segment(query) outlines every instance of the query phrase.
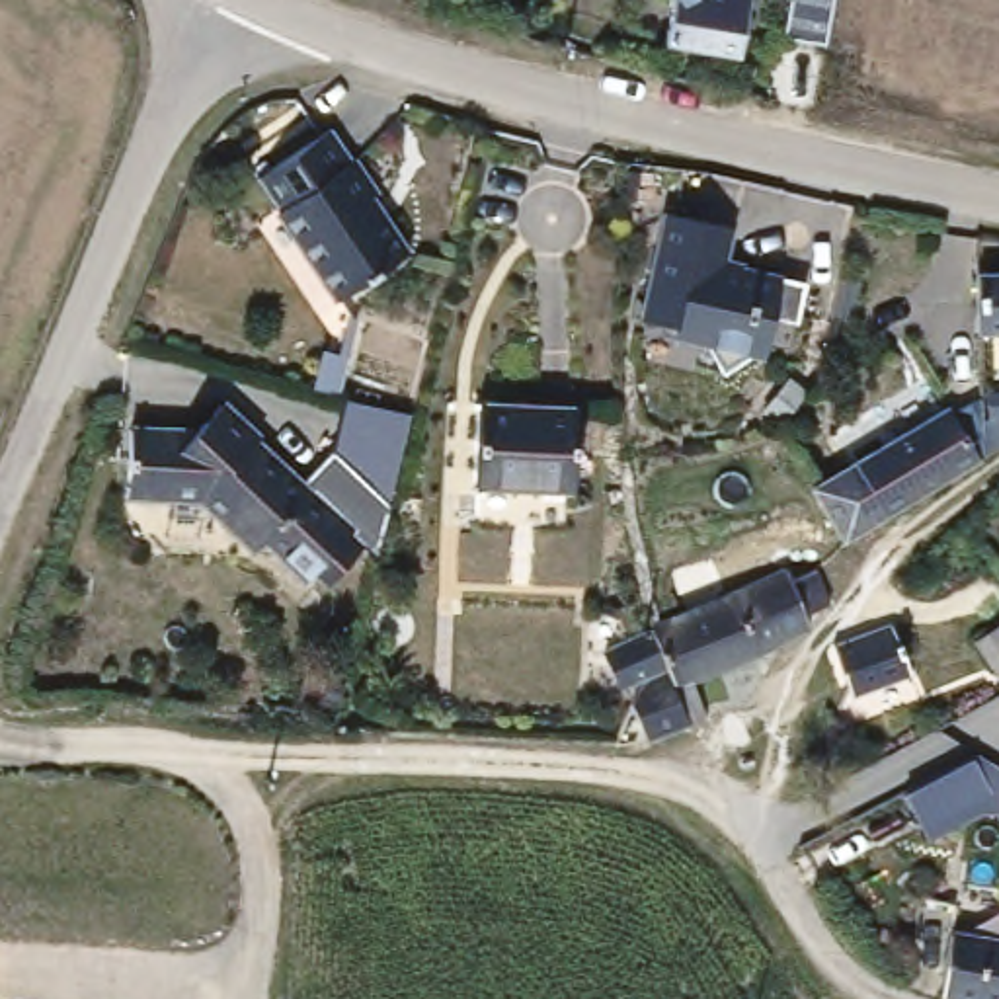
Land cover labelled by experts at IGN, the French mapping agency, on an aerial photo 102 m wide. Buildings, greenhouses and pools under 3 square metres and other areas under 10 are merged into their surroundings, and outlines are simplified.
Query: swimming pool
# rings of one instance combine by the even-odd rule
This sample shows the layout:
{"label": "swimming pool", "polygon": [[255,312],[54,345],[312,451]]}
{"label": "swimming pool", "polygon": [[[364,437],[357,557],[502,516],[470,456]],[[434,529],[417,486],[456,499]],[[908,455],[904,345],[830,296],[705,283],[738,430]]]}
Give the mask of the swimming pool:
{"label": "swimming pool", "polygon": [[995,870],[987,862],[968,862],[968,874],[976,882],[991,878]]}

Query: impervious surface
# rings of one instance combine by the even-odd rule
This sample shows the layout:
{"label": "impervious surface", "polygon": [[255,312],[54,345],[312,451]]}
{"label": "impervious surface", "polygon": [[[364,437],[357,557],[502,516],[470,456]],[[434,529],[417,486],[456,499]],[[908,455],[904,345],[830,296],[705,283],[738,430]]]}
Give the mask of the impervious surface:
{"label": "impervious surface", "polygon": [[312,460],[312,453],[320,449],[328,449],[328,457],[340,453],[347,425],[340,414],[281,398],[273,390],[246,390],[273,425],[285,453],[293,453],[300,464]]}
{"label": "impervious surface", "polygon": [[999,336],[987,332],[987,316],[979,316],[987,293],[979,285],[979,269],[976,238],[937,238],[905,230],[894,242],[866,238],[874,254],[874,285],[866,308],[874,312],[862,328],[870,336],[894,332],[898,355],[905,375],[901,390],[866,406],[823,445],[827,453],[839,453],[874,433],[878,425],[886,425],[890,418],[913,414],[917,402],[929,398],[929,379],[913,355],[913,340],[921,336],[952,371],[956,394],[968,406],[999,406]]}
{"label": "impervious surface", "polygon": [[745,59],[749,39],[738,31],[683,23],[667,31],[667,47],[714,59]]}
{"label": "impervious surface", "polygon": [[999,699],[979,706],[976,714],[960,714],[956,726],[925,734],[913,745],[882,757],[878,765],[851,773],[843,788],[835,788],[819,804],[780,800],[769,808],[769,823],[792,847],[800,831],[843,816],[847,808],[901,780],[909,784],[909,792],[940,780],[944,773],[968,761],[987,761],[999,769]]}
{"label": "impervious surface", "polygon": [[0,722],[0,765],[59,761],[62,734],[70,726]]}
{"label": "impervious surface", "polygon": [[726,379],[734,394],[749,398],[745,414],[753,418],[777,414],[773,398],[780,394],[780,386],[769,386],[765,363],[749,359],[745,371]]}
{"label": "impervious surface", "polygon": [[800,367],[808,375],[819,367],[831,320],[855,308],[859,285],[835,273],[831,285],[812,289],[808,316],[800,320],[800,328],[788,312],[777,320],[780,351],[804,355]]}
{"label": "impervious surface", "polygon": [[254,113],[254,129],[254,180],[258,180],[281,133],[300,117],[297,101],[261,105]]}
{"label": "impervious surface", "polygon": [[[31,394],[23,410],[8,394],[0,394],[0,554],[62,406],[78,394],[82,398],[94,406],[101,406],[105,398],[121,398],[133,414],[113,449],[113,464],[125,476],[125,515],[148,539],[152,554],[219,554],[226,546],[238,546],[246,562],[277,578],[281,605],[304,605],[351,593],[363,581],[359,562],[324,558],[312,542],[297,546],[293,554],[250,550],[246,539],[230,535],[222,519],[211,515],[211,507],[199,503],[195,488],[183,488],[172,503],[144,503],[144,496],[137,492],[137,410],[144,402],[187,406],[195,402],[203,379],[191,367],[121,351],[101,343],[101,316],[137,242],[137,230],[148,215],[148,203],[191,125],[222,94],[238,86],[258,86],[269,74],[293,70],[300,62],[332,62],[347,74],[347,86],[320,98],[316,109],[336,113],[355,140],[367,140],[375,133],[398,109],[402,98],[410,101],[402,164],[379,164],[382,183],[390,187],[394,203],[402,203],[421,168],[418,133],[429,125],[429,117],[472,125],[488,140],[515,137],[546,148],[542,168],[535,168],[531,180],[523,180],[523,172],[515,168],[500,168],[484,183],[480,219],[515,226],[515,242],[500,250],[484,289],[472,300],[472,316],[464,324],[457,359],[457,398],[449,402],[453,433],[445,437],[445,445],[449,468],[441,484],[433,675],[445,691],[453,683],[453,624],[464,593],[570,597],[574,628],[581,632],[585,683],[593,683],[609,667],[609,640],[617,636],[613,617],[593,620],[585,613],[585,593],[570,581],[531,578],[535,527],[562,523],[566,500],[480,492],[476,457],[488,457],[492,445],[480,441],[480,406],[472,363],[480,332],[507,273],[523,254],[535,254],[535,336],[542,340],[542,367],[570,367],[570,297],[562,258],[570,250],[585,250],[589,242],[593,203],[609,195],[624,180],[624,172],[640,176],[632,215],[620,219],[628,226],[648,226],[648,258],[636,269],[628,308],[624,340],[644,340],[652,363],[683,371],[706,363],[714,347],[683,343],[675,328],[652,324],[644,308],[652,273],[679,273],[675,265],[663,265],[656,258],[667,215],[734,226],[745,254],[792,254],[816,265],[835,261],[851,230],[851,215],[859,211],[901,211],[940,219],[948,211],[948,219],[960,226],[999,226],[999,172],[812,125],[808,105],[819,90],[823,51],[808,39],[792,39],[792,47],[780,55],[773,70],[773,90],[780,98],[773,109],[761,109],[757,101],[695,105],[687,94],[671,101],[659,78],[640,86],[589,74],[503,59],[453,39],[429,35],[402,31],[382,16],[343,8],[332,0],[140,0],[148,16],[152,51],[144,105],[137,113],[125,160],[117,168],[117,180],[109,187],[109,199],[101,207],[101,219],[94,226],[94,238],[86,246],[86,258],[78,265],[74,289],[62,304],[59,328],[47,343]],[[511,523],[511,574],[503,581],[460,581],[460,527],[476,519]]]}
{"label": "impervious surface", "polygon": [[297,289],[308,297],[324,328],[336,336],[343,332],[347,312],[340,300],[316,273],[316,265],[304,258],[304,250],[285,234],[281,215],[265,215],[261,234],[297,281]]}

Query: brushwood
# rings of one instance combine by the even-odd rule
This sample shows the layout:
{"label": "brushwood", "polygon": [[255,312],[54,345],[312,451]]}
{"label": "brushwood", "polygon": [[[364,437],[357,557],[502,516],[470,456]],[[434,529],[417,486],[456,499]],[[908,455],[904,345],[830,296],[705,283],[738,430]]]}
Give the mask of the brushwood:
{"label": "brushwood", "polygon": [[613,0],[613,20],[601,31],[593,31],[578,23],[578,12],[558,16],[554,4],[535,16],[515,16],[511,8],[492,8],[488,0],[414,0],[414,16],[429,20],[429,35],[453,39],[476,27],[492,39],[535,39],[546,47],[574,47],[578,55],[589,55],[589,74],[640,86],[659,78],[671,101],[687,94],[695,105],[757,101],[761,109],[773,109],[780,98],[773,90],[773,70],[780,55],[792,47],[792,39],[784,27],[788,0],[757,0],[757,16],[738,31],[749,39],[745,59],[714,59],[667,47],[667,31],[683,23],[675,0]]}
{"label": "brushwood", "polygon": [[671,605],[679,593],[675,578],[663,566],[652,570],[652,597],[640,601],[632,562],[617,562],[617,593],[585,593],[585,613],[593,620],[613,617],[617,636],[632,636],[644,624],[656,624],[659,609]]}
{"label": "brushwood", "polygon": [[125,324],[121,351],[191,367],[203,379],[222,379],[246,390],[273,390],[281,398],[340,414],[343,406],[336,390],[320,390],[316,382],[304,386],[219,359],[203,359],[191,347],[148,343],[156,328],[152,320]]}
{"label": "brushwood", "polygon": [[640,437],[624,437],[617,445],[620,460],[632,472],[656,457],[695,457],[710,453],[718,441],[745,441],[753,433],[808,449],[819,441],[819,425],[812,429],[800,421],[780,421],[777,414],[753,418],[745,414],[749,398],[734,394],[718,425],[679,421],[667,414],[644,418],[659,429],[659,441],[644,445]]}
{"label": "brushwood", "polygon": [[515,168],[523,172],[523,180],[531,180],[535,168],[542,168],[546,148],[515,137],[488,140],[472,125],[429,117],[429,125],[418,133],[421,168],[402,203],[414,222],[414,238],[406,242],[406,254],[414,261],[406,261],[394,281],[382,277],[382,285],[367,285],[340,300],[347,312],[382,312],[390,320],[421,324],[429,332],[425,375],[414,398],[418,414],[410,418],[410,437],[390,500],[386,546],[414,554],[421,550],[421,531],[406,515],[406,500],[414,500],[418,492],[425,445],[445,445],[445,437],[453,433],[449,402],[457,398],[457,359],[464,324],[472,316],[472,300],[484,289],[500,250],[515,242],[515,226],[480,219],[484,183],[500,168]]}
{"label": "brushwood", "polygon": [[609,195],[593,203],[589,242],[597,258],[613,261],[613,304],[628,308],[636,269],[648,258],[648,226],[628,226],[620,219],[632,215],[640,176],[624,172],[624,180]]}
{"label": "brushwood", "polygon": [[250,340],[250,351],[254,351],[254,355],[265,355],[265,351],[269,351],[269,340],[277,340],[277,336],[281,336],[281,320],[269,320],[269,316],[246,316],[246,340]]}
{"label": "brushwood", "polygon": [[593,683],[585,683],[578,699],[566,706],[484,702],[445,691],[433,675],[410,663],[410,656],[398,644],[398,617],[406,617],[406,605],[418,593],[418,578],[390,574],[375,558],[359,562],[363,581],[351,593],[359,601],[355,624],[343,640],[332,644],[300,640],[304,605],[281,605],[281,617],[246,609],[246,636],[219,648],[219,628],[203,620],[203,605],[183,601],[180,617],[168,624],[168,636],[176,644],[168,652],[133,652],[129,679],[144,683],[140,699],[121,699],[105,691],[66,691],[82,702],[82,714],[94,726],[152,726],[219,741],[351,745],[379,741],[386,734],[429,734],[429,714],[445,710],[457,718],[460,738],[613,741],[624,718],[620,710],[620,695],[613,687]]}
{"label": "brushwood", "polygon": [[113,449],[133,414],[121,398],[105,398],[101,406],[94,406],[82,398],[82,429],[74,437],[62,488],[47,511],[39,558],[23,574],[20,597],[12,605],[12,632],[0,636],[0,648],[4,699],[43,706],[51,695],[35,691],[35,675],[51,675],[47,667],[55,659],[74,652],[70,636],[51,632],[51,620],[74,617],[82,601],[78,589],[66,585],[74,546],[82,539],[98,539],[109,554],[125,554],[129,562],[148,562],[152,554],[148,539],[125,515],[125,476],[113,464]]}
{"label": "brushwood", "polygon": [[804,710],[788,749],[788,780],[780,788],[780,800],[819,804],[835,788],[843,788],[851,773],[878,765],[882,757],[913,745],[925,734],[956,726],[960,714],[976,714],[979,706],[999,699],[999,683],[991,683],[972,683],[940,699],[921,699],[890,706],[874,718],[859,718],[843,710],[843,702],[823,699]]}
{"label": "brushwood", "polygon": [[254,129],[222,144],[203,144],[187,172],[187,187],[195,187],[191,211],[207,215],[215,207],[238,211],[254,180]]}
{"label": "brushwood", "polygon": [[874,254],[866,238],[862,230],[851,230],[835,261],[835,273],[859,285],[855,308],[866,308],[874,285]]}
{"label": "brushwood", "polygon": [[379,164],[402,164],[410,101],[402,98],[398,109],[375,133],[379,144],[371,144],[367,156]]}
{"label": "brushwood", "polygon": [[839,886],[816,878],[812,898],[819,917],[866,972],[890,983],[890,991],[921,976],[921,960],[909,944],[894,940],[882,948],[847,909]]}
{"label": "brushwood", "polygon": [[800,386],[808,375],[800,367],[804,355],[780,351],[769,351],[765,363],[769,386],[780,386]]}
{"label": "brushwood", "polygon": [[894,570],[894,585],[905,597],[921,601],[940,601],[948,593],[968,589],[972,581],[999,585],[999,472],[991,472],[991,480],[972,496],[972,503],[956,511],[948,523],[940,523],[925,542],[917,542],[913,554]]}

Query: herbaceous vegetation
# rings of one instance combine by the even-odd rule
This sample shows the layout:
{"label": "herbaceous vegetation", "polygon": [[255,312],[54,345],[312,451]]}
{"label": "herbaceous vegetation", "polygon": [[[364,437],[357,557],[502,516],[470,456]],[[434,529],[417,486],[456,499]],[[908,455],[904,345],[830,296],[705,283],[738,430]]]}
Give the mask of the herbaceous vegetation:
{"label": "herbaceous vegetation", "polygon": [[418,414],[414,398],[367,390],[359,382],[343,382],[343,390],[336,390],[343,406],[375,406],[410,418]]}
{"label": "herbaceous vegetation", "polygon": [[429,20],[414,16],[414,0],[332,0],[343,8],[382,16],[402,31],[429,35]]}
{"label": "herbaceous vegetation", "polygon": [[726,777],[757,784],[765,769],[769,734],[765,722],[749,722],[749,741],[726,753]]}
{"label": "herbaceous vegetation", "polygon": [[94,726],[82,714],[82,702],[66,691],[105,691],[121,699],[140,699],[144,683],[129,679],[133,652],[168,652],[176,644],[168,636],[168,624],[180,617],[183,601],[203,605],[203,620],[219,628],[219,648],[246,636],[246,609],[281,617],[281,605],[277,578],[246,562],[238,546],[226,546],[219,554],[152,554],[148,562],[129,562],[125,554],[109,554],[98,539],[82,539],[74,546],[66,585],[78,589],[82,601],[74,617],[51,620],[51,632],[70,636],[74,652],[55,659],[47,667],[51,675],[35,675],[35,691],[51,695],[43,706],[4,699],[0,648],[0,722],[70,726]]}
{"label": "herbaceous vegetation", "polygon": [[940,699],[972,683],[991,683],[995,667],[983,659],[979,640],[999,632],[999,609],[987,617],[917,624],[917,648],[909,652],[913,671],[921,679],[921,699]]}
{"label": "herbaceous vegetation", "polygon": [[332,644],[343,640],[355,624],[359,601],[351,593],[304,605],[300,640]]}
{"label": "herbaceous vegetation", "polygon": [[441,484],[449,468],[445,445],[425,445],[418,492],[414,500],[406,500],[406,515],[421,531],[421,550],[414,554],[386,546],[375,558],[390,574],[418,578],[418,593],[406,605],[406,617],[398,617],[398,644],[410,656],[410,663],[433,675]]}
{"label": "herbaceous vegetation", "polygon": [[960,226],[948,219],[948,211],[940,219],[901,211],[859,211],[851,215],[851,230],[862,230],[866,238],[894,242],[905,230],[937,238],[976,238],[979,269],[999,269],[999,226]]}
{"label": "herbaceous vegetation", "polygon": [[816,562],[827,570],[835,597],[859,578],[862,562],[878,546],[878,539],[898,523],[898,515],[890,523],[870,527],[855,542],[843,542],[819,542]]}
{"label": "herbaceous vegetation", "polygon": [[[347,86],[347,74],[332,62],[300,62],[293,70],[269,74],[258,86],[238,86],[222,94],[191,125],[148,203],[148,215],[137,230],[137,242],[101,316],[101,343],[121,351],[125,324],[152,320],[156,328],[148,343],[191,347],[203,359],[219,359],[304,386],[316,382],[320,359],[340,351],[336,336],[324,328],[308,297],[297,289],[297,281],[261,234],[265,215],[281,215],[258,180],[254,180],[238,211],[215,207],[207,215],[191,211],[195,187],[187,187],[187,172],[203,144],[222,144],[254,129],[254,113],[261,105],[297,101],[300,117],[316,109],[320,98]],[[269,316],[269,320],[281,320],[281,336],[277,336],[277,340],[269,340],[269,351],[265,351],[265,355],[254,355],[254,351],[250,351],[250,340],[246,340],[246,316]]]}
{"label": "herbaceous vegetation", "polygon": [[827,659],[819,659],[804,691],[804,710],[823,699],[843,702]]}
{"label": "herbaceous vegetation", "polygon": [[991,878],[999,898],[999,819],[976,819],[964,827],[968,862],[987,862],[995,870]]}
{"label": "herbaceous vegetation", "polygon": [[0,940],[144,948],[191,956],[226,944],[242,913],[234,827],[226,812],[195,780],[148,765],[59,761],[0,765]]}
{"label": "herbaceous vegetation", "polygon": [[894,940],[909,944],[917,940],[913,921],[921,921],[921,901],[933,901],[940,890],[948,890],[940,859],[913,855],[925,839],[917,831],[905,831],[909,792],[909,784],[901,780],[847,808],[843,816],[800,831],[792,847],[788,859],[804,859],[816,847],[843,847],[859,835],[870,839],[874,831],[890,835],[886,847],[866,851],[851,862],[827,862],[816,878],[839,886],[847,909],[882,948]]}
{"label": "herbaceous vegetation", "polygon": [[445,691],[484,702],[566,706],[578,699],[585,683],[581,632],[574,628],[570,597],[464,593],[453,624],[453,683]]}
{"label": "herbaceous vegetation", "polygon": [[492,398],[574,402],[589,414],[597,402],[624,398],[624,363],[636,363],[636,382],[648,382],[652,390],[640,394],[644,418],[667,414],[679,421],[718,425],[734,394],[726,379],[714,363],[706,363],[683,371],[652,363],[644,340],[624,340],[628,308],[613,304],[613,261],[597,258],[589,242],[585,250],[570,250],[562,258],[570,297],[570,367],[542,367],[542,340],[535,336],[535,254],[523,254],[507,273],[480,332],[472,363],[480,406]]}
{"label": "herbaceous vegetation", "polygon": [[765,531],[769,523],[823,523],[827,515],[823,503],[816,503],[823,488],[808,449],[753,433],[745,441],[718,441],[710,453],[695,457],[656,457],[632,472],[640,535],[652,570],[663,566],[675,578],[675,570],[710,562],[730,542]]}
{"label": "herbaceous vegetation", "polygon": [[20,597],[23,574],[39,558],[47,511],[62,488],[74,437],[82,429],[82,398],[78,394],[62,406],[0,554],[0,636],[12,632],[12,605]]}
{"label": "herbaceous vegetation", "polygon": [[460,527],[460,581],[503,581],[511,574],[511,523],[476,519]]}
{"label": "herbaceous vegetation", "polygon": [[769,940],[777,944],[777,964],[788,979],[792,999],[843,999],[827,983],[827,976],[808,960],[804,944],[784,921],[769,933]]}
{"label": "herbaceous vegetation", "polygon": [[913,340],[913,355],[929,379],[929,398],[956,394],[952,371],[921,336]]}
{"label": "herbaceous vegetation", "polygon": [[277,839],[293,831],[300,804],[328,796],[347,773],[254,769],[250,784],[258,788]]}
{"label": "herbaceous vegetation", "polygon": [[859,390],[866,394],[866,406],[901,390],[905,375],[898,355],[886,359],[878,375],[859,367]]}
{"label": "herbaceous vegetation", "polygon": [[617,480],[609,480],[605,460],[585,441],[581,449],[574,449],[585,480],[566,500],[562,523],[535,527],[531,578],[570,581],[585,593],[617,593],[617,562],[632,562],[628,535],[620,535],[617,558],[601,550],[605,523],[624,519],[624,503],[613,503]]}

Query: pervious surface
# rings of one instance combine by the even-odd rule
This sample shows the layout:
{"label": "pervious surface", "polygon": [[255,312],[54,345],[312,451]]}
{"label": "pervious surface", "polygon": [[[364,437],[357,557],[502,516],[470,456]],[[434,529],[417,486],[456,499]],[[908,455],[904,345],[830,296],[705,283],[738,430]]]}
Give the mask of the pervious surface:
{"label": "pervious surface", "polygon": [[578,12],[578,23],[593,31],[601,31],[613,20],[613,0],[488,0],[492,8],[511,8],[515,16],[535,16],[554,4],[558,16]]}
{"label": "pervious surface", "polygon": [[503,59],[589,74],[589,55],[578,55],[574,47],[546,47],[535,39],[492,39],[476,27],[453,39]]}
{"label": "pervious surface", "polygon": [[[940,890],[933,901],[921,901],[921,921],[913,921],[917,940],[909,944],[921,960],[921,976],[890,991],[890,983],[866,972],[819,917],[812,898],[816,878],[827,862],[851,862],[866,851],[886,847],[890,835],[874,831],[870,839],[859,835],[843,847],[816,847],[804,859],[788,859],[792,847],[769,823],[769,808],[780,800],[780,788],[788,780],[788,749],[804,710],[804,691],[819,659],[827,659],[843,702],[843,710],[859,718],[874,718],[890,706],[921,699],[921,679],[913,671],[909,652],[898,652],[898,667],[905,679],[862,695],[855,691],[855,679],[839,656],[839,632],[890,613],[913,617],[917,624],[987,617],[999,609],[999,585],[972,581],[968,589],[948,593],[940,601],[921,601],[905,597],[894,585],[894,570],[913,554],[917,542],[925,542],[940,523],[948,523],[956,511],[972,503],[972,496],[991,480],[991,472],[999,472],[999,406],[968,406],[968,418],[979,429],[976,437],[968,437],[976,464],[960,472],[948,488],[925,496],[921,503],[898,515],[898,523],[878,539],[878,546],[862,562],[859,578],[835,597],[827,609],[812,613],[808,632],[796,644],[765,652],[761,659],[726,671],[722,683],[699,683],[687,675],[687,730],[671,738],[648,738],[640,710],[620,710],[624,718],[613,741],[460,738],[457,718],[445,710],[429,714],[429,734],[386,734],[379,741],[351,745],[219,741],[152,726],[94,726],[70,726],[62,734],[59,761],[148,765],[195,780],[226,812],[234,827],[242,913],[226,944],[191,956],[144,948],[0,940],[0,999],[265,999],[273,979],[281,913],[277,839],[258,788],[250,784],[254,769],[347,773],[574,780],[679,800],[706,816],[726,839],[734,839],[745,851],[757,882],[765,886],[769,901],[780,909],[784,921],[804,944],[808,960],[827,976],[827,983],[843,999],[944,999],[952,991],[956,972],[956,940],[976,940],[983,929],[999,933],[999,898],[991,878],[976,882],[968,874],[968,862],[964,827],[948,831],[944,839],[925,839],[913,855],[940,859],[948,890]],[[749,741],[749,722],[765,722],[769,734],[765,769],[757,784],[726,777],[726,753]]]}
{"label": "pervious surface", "polygon": [[652,390],[648,382],[636,382],[636,363],[624,363],[624,398],[597,402],[589,414],[593,425],[585,429],[585,441],[605,460],[609,480],[617,480],[613,503],[624,503],[624,519],[605,523],[601,550],[617,558],[620,535],[628,535],[632,562],[640,601],[652,597],[652,570],[640,535],[632,472],[620,460],[617,445],[624,437],[640,437],[644,445],[659,441],[659,429],[644,418],[640,394]]}
{"label": "pervious surface", "polygon": [[710,562],[675,570],[675,578],[679,593],[695,593],[702,585],[714,585],[765,562],[816,562],[819,542],[843,542],[839,527],[827,515],[823,523],[769,523],[765,531],[730,542]]}

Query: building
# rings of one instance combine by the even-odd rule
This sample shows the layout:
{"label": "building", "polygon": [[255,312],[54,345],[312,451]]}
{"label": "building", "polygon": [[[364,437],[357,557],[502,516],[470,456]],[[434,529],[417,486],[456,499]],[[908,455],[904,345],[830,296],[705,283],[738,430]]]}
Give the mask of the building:
{"label": "building", "polygon": [[839,656],[855,679],[855,691],[862,695],[905,679],[898,667],[898,652],[909,652],[917,648],[917,624],[913,617],[890,613],[839,632]]}
{"label": "building", "polygon": [[987,293],[979,316],[987,316],[987,332],[999,336],[999,269],[979,269],[979,285]]}
{"label": "building", "polygon": [[839,527],[843,542],[855,542],[870,527],[890,523],[898,515],[921,503],[925,496],[948,488],[960,472],[976,464],[968,437],[976,437],[979,429],[968,418],[968,406],[956,394],[929,398],[917,402],[913,414],[890,418],[886,425],[878,425],[874,433],[839,453],[827,453],[823,445],[819,441],[808,449],[823,488],[816,503],[823,503],[827,515]]}
{"label": "building", "polygon": [[230,535],[246,539],[250,550],[293,554],[297,546],[312,542],[324,558],[359,562],[375,558],[386,546],[390,500],[410,437],[410,418],[375,406],[343,406],[340,414],[347,425],[340,453],[328,457],[328,449],[320,449],[312,453],[312,460],[300,464],[293,453],[285,453],[273,425],[246,390],[222,379],[203,379],[195,402],[187,406],[144,402],[137,410],[137,492],[144,496],[144,503],[172,503],[183,488],[195,488],[199,503],[211,507],[211,515],[222,519]]}
{"label": "building", "polygon": [[714,347],[706,363],[714,363],[726,379],[745,371],[749,359],[765,363],[769,351],[780,351],[777,320],[788,312],[800,328],[800,320],[808,316],[812,289],[831,285],[835,273],[835,261],[816,265],[792,254],[745,254],[734,226],[667,215],[656,258],[663,265],[675,265],[679,273],[652,273],[644,308],[652,324],[675,328],[683,343]]}
{"label": "building", "polygon": [[343,382],[359,382],[367,390],[414,398],[425,375],[429,332],[421,324],[390,320],[382,312],[347,312],[343,332],[336,336],[340,351],[320,359],[316,382],[320,390],[336,390],[343,390]]}
{"label": "building", "polygon": [[812,613],[827,609],[835,597],[827,570],[816,562],[765,562],[714,585],[702,585],[695,593],[679,593],[671,605],[659,609],[656,624],[644,624],[632,636],[617,636],[609,640],[609,667],[593,683],[613,687],[620,695],[620,710],[640,710],[648,738],[671,738],[687,730],[687,675],[699,683],[722,683],[726,671],[761,659],[765,652],[796,644],[808,632]]}
{"label": "building", "polygon": [[800,386],[780,386],[780,394],[773,398],[777,414],[800,410]]}
{"label": "building", "polygon": [[944,773],[940,780],[909,792],[905,831],[917,831],[925,839],[944,839],[948,831],[964,827],[976,819],[999,819],[999,769],[987,761],[968,761]]}
{"label": "building", "polygon": [[593,425],[589,414],[574,402],[492,398],[480,406],[480,441],[492,445],[488,457],[476,457],[480,492],[566,500],[585,480],[574,449],[581,449],[585,441],[585,429]]}
{"label": "building", "polygon": [[999,933],[983,929],[976,940],[956,940],[956,972],[952,991],[944,999],[999,999]]}
{"label": "building", "polygon": [[367,140],[355,140],[336,113],[316,109],[300,117],[281,133],[258,180],[281,215],[285,234],[304,250],[304,258],[316,265],[316,273],[340,300],[367,285],[382,285],[382,277],[394,281],[406,261],[414,261],[406,254],[406,242],[414,238],[414,222],[402,203],[394,203],[390,187],[382,183],[379,164],[367,156],[371,144],[379,144],[375,133]]}
{"label": "building", "polygon": [[788,0],[784,27],[792,39],[808,39],[823,51],[831,47],[839,0]]}
{"label": "building", "polygon": [[979,640],[983,659],[995,667],[991,683],[999,683],[999,632]]}
{"label": "building", "polygon": [[757,0],[675,0],[683,23],[738,31],[757,16]]}

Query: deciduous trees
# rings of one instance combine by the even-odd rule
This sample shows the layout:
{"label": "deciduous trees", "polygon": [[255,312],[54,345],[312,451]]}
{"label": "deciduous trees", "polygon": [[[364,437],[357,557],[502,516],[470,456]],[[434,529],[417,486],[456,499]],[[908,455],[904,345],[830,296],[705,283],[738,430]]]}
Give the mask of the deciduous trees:
{"label": "deciduous trees", "polygon": [[874,312],[866,308],[855,308],[831,320],[819,367],[808,375],[800,386],[800,410],[777,414],[780,421],[800,421],[812,429],[819,425],[819,441],[823,445],[866,406],[866,394],[859,390],[859,367],[878,375],[886,359],[898,355],[894,332],[870,336],[862,328]]}

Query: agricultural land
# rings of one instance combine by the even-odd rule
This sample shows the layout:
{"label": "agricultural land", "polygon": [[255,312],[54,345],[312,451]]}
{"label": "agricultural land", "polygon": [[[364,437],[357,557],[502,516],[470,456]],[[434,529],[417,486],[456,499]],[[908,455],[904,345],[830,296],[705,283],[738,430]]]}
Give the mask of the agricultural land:
{"label": "agricultural land", "polygon": [[812,125],[999,172],[999,0],[839,0],[831,47],[823,51],[819,90],[808,105]]}
{"label": "agricultural land", "polygon": [[769,901],[765,886],[757,882],[745,851],[734,839],[726,839],[706,816],[679,800],[574,780],[347,773],[328,796],[300,804],[293,831],[277,839],[281,913],[273,979],[265,999],[792,999],[788,979],[777,964],[777,944],[769,940],[769,933],[784,921],[780,909]]}
{"label": "agricultural land", "polygon": [[47,343],[59,328],[62,304],[74,289],[78,265],[86,258],[86,246],[94,238],[94,226],[101,219],[101,207],[109,199],[109,187],[117,180],[117,168],[125,160],[137,113],[144,105],[152,51],[148,16],[140,0],[0,0],[0,394],[8,394],[23,410],[31,394]]}

